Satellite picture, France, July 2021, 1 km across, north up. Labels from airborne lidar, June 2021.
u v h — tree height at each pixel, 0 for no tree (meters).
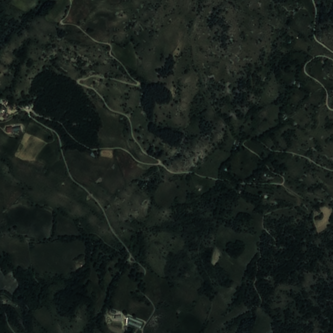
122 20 0
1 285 0
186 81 0
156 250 0
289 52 7
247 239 0
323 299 8
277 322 11
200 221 11
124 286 0
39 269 0
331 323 9
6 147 0
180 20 0
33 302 17
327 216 0
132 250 7
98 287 0
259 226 0
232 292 0
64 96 8
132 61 0
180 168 0
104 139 0
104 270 11
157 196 0
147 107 20
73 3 0
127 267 10
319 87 0
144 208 0
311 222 6
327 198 6
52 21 0
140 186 6
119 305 0
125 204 0
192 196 8
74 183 7
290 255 11
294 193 0
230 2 9
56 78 13
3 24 9
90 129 9
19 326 7
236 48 0
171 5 0
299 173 0
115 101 0
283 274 11
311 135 0
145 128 0
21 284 15
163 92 18
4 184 0
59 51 10
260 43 0
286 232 11
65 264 0
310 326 9
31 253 0
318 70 0
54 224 7
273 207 7
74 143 8
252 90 7
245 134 10
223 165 16
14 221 0
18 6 0
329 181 0
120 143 0
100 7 0
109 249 9
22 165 0
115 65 8
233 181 9
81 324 0
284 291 7
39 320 0
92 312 12
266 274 10
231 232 0
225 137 8
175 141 16
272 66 7
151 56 0
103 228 0
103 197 0
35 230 0
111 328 0
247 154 0
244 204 0
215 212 19
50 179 0
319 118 0
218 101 8
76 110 9
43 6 11
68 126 10
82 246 0
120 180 0
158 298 0
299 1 5
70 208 0
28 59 6
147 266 7
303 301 10
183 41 0
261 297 6
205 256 8
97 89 0
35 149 0
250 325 12
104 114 0
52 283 7
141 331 0
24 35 0
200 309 0
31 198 0
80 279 14
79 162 0
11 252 0
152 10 0
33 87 13
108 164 0
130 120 0
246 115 7
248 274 10
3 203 0
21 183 6
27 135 0
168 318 0
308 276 0
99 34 0
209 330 0
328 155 0
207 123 8
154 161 0
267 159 12
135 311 0
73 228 0
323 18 16
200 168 7
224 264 0
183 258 7
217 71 0
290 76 0
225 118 8
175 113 0
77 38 0
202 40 0
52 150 0
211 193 13
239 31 0
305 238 6
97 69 0
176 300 0
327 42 0
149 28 0
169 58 14
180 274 9
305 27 0
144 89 16
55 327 0
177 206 9
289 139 8
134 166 0
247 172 0
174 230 6
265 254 8
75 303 18
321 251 9
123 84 0
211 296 8
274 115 0
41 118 9
